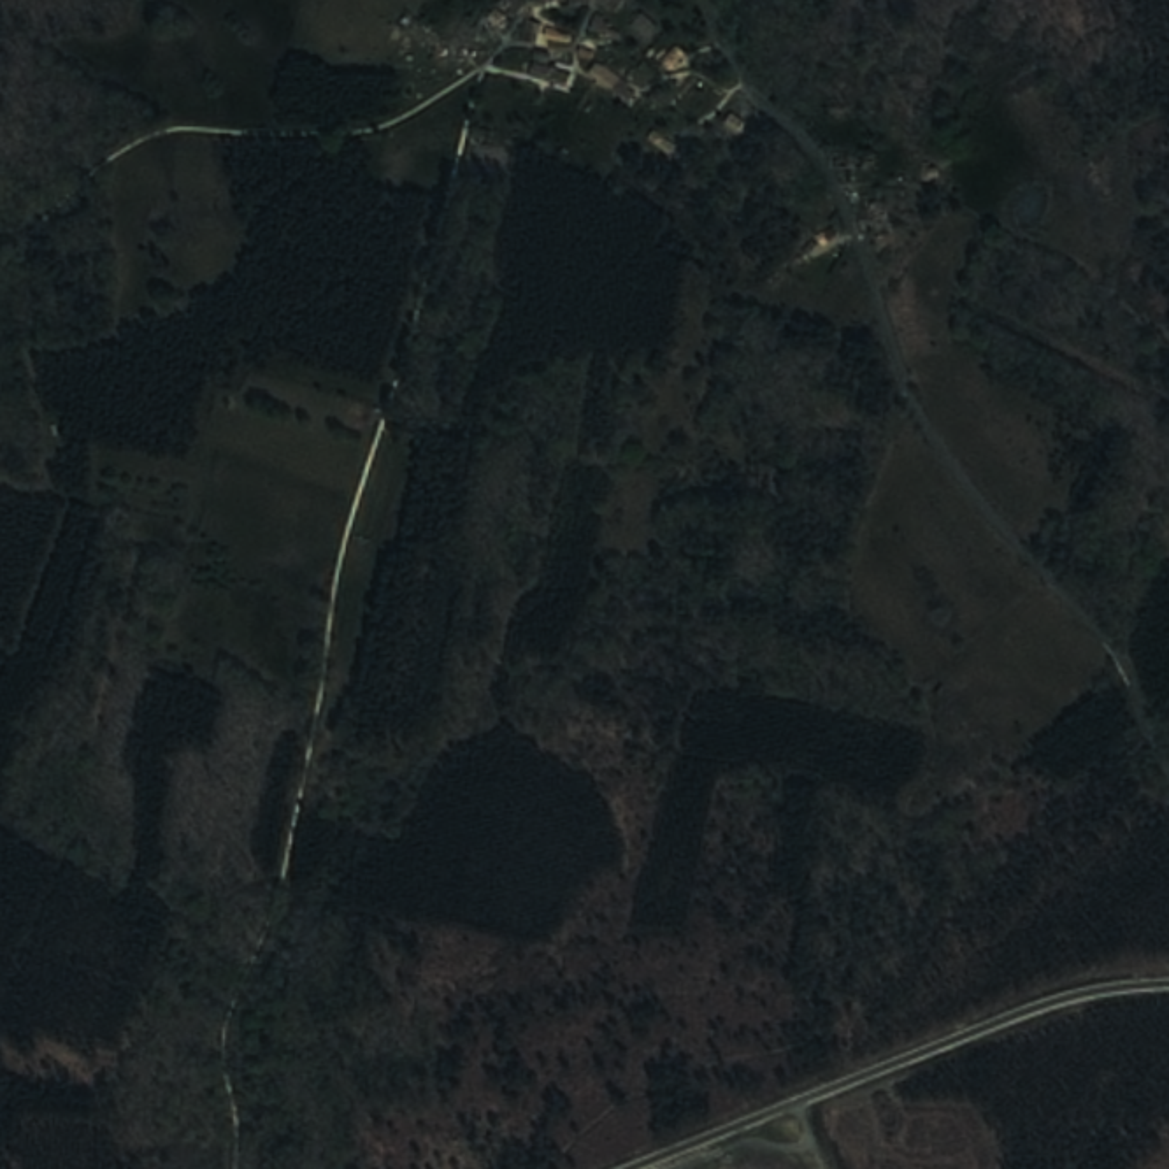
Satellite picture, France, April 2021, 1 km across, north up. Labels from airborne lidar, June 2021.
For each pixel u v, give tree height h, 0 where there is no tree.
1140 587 17
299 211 13
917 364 0
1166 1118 8
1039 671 0
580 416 17
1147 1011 12
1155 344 16
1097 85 15
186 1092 14
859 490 14
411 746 13
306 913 22
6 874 13
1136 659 12
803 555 16
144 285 0
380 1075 16
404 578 20
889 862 9
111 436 13
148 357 15
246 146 12
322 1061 18
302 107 8
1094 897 13
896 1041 10
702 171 12
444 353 11
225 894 15
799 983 15
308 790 10
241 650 0
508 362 14
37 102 14
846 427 8
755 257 8
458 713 14
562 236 12
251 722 13
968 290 16
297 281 15
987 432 0
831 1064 16
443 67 0
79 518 12
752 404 14
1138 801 17
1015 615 0
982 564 0
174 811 8
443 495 18
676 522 17
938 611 15
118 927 9
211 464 0
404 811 14
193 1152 11
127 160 0
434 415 12
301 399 0
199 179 0
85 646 17
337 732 15
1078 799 7
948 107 17
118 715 11
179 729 11
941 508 0
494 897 9
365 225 15
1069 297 16
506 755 13
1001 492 0
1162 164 6
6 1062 15
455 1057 12
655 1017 18
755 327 15
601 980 9
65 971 12
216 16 0
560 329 10
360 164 11
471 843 11
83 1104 16
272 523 0
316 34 0
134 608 15
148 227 0
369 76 13
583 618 8
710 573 18
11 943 11
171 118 20
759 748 9
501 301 18
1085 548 21
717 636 11
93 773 17
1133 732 11
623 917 9
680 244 11
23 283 11
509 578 14
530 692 16
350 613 0
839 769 8
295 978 21
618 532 0
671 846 8
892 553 0
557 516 10
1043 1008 0
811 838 15
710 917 9
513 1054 21
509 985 11
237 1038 19
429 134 0
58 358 13
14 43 13
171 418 14
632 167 18
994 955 10
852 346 18
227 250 0
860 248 0
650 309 12
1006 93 0
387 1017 14
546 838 8
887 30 12
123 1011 10
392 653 19
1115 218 0
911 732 7
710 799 9
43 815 17
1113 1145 18
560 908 8
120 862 17
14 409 20
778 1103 0
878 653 20
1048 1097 9
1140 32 15
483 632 19
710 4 16
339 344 13
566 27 7
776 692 13
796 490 18
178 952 8
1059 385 22
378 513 0
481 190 18
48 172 17
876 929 7
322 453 0
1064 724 11
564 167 13
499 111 0
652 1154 0
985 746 0
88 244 14
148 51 0
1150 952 12
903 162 0
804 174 14
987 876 15
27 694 13
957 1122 0
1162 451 12
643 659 10
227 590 6
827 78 11
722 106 0
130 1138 12
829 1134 0
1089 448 7
